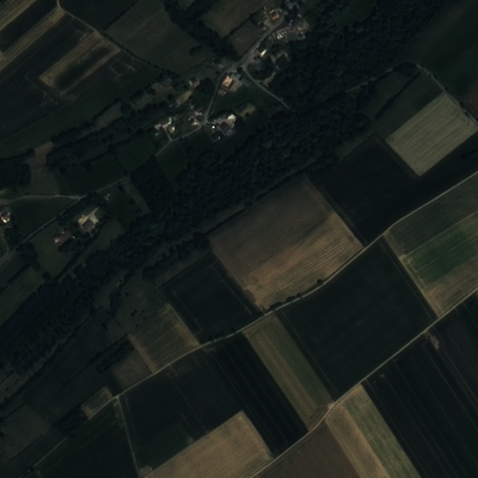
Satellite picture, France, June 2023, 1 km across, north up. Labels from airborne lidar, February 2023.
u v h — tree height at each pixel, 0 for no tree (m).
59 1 0
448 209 0
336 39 17
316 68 24
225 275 0
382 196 0
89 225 0
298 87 7
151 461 0
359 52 28
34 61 0
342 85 26
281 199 0
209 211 18
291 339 0
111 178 0
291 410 0
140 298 0
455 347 0
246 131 0
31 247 17
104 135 10
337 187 0
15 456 0
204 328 0
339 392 0
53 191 0
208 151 6
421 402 0
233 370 0
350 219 0
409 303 0
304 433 0
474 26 0
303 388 0
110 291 0
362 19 0
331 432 0
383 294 0
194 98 13
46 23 0
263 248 0
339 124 22
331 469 0
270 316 0
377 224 0
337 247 0
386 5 34
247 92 0
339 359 0
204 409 0
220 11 0
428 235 0
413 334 0
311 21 0
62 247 10
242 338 0
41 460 0
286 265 0
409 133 0
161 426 0
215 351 0
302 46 17
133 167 0
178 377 0
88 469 0
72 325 23
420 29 18
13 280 9
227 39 6
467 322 0
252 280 0
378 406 0
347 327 0
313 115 21
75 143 10
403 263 0
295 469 0
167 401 0
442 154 0
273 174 21
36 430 0
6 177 17
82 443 0
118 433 0
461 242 0
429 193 0
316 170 12
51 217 0
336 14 23
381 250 0
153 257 0
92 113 0
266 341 0
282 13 0
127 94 0
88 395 0
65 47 0
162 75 13
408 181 0
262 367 0
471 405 0
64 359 0
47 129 0
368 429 0
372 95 18
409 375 0
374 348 0
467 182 0
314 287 0
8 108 0
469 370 0
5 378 0
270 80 0
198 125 0
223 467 0
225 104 0
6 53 0
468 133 0
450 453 0
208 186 22
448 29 0
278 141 26
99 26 0
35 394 0
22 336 37
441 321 0
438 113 0
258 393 0
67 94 0
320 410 0
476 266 0
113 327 0
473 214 0
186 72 0
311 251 0
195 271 0
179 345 0
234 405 0
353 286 0
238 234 0
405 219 0
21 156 13
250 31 0
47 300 39
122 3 0
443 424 0
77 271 0
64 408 0
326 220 0
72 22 0
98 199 8
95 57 0
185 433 0
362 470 0
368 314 0
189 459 0
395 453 0
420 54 0
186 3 0
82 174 0
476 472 0
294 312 0
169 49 0
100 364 7
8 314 0
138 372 0
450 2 18
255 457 0
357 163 0
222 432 0
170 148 0
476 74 0
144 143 0
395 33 28
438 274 0
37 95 0
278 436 0
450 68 0
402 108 0
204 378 0
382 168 0
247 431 0
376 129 0
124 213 0
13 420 0
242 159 16
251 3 0
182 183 20
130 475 0
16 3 0
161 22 0
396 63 0
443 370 0
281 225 0
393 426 0
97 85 0
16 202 0
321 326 0
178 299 0
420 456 0
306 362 0
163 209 15
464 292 0
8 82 0
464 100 0
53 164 23
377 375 0
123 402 0
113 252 29
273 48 6
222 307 0
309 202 0
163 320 0
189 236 0
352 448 0
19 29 0
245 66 0
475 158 0
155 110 20
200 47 7
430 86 0
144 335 0
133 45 0
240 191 24
